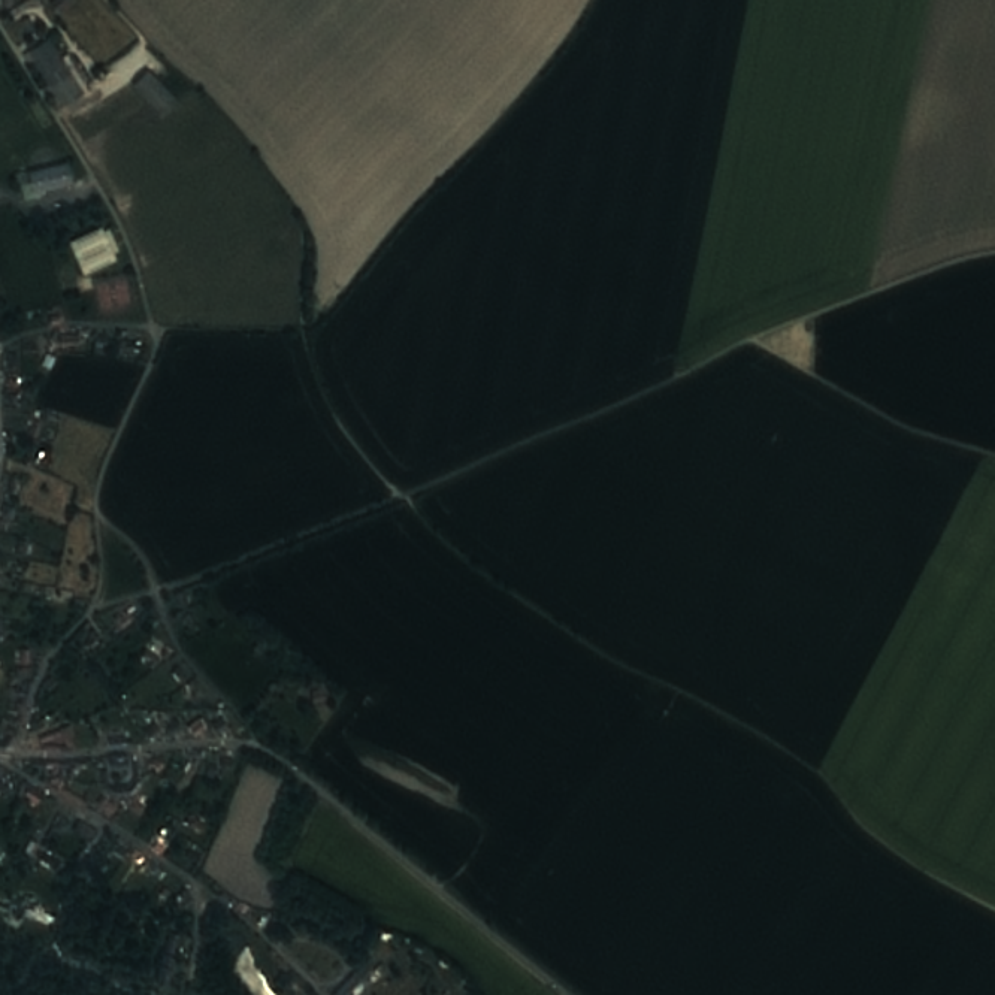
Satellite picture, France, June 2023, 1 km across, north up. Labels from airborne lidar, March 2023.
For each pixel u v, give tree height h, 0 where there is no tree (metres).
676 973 0
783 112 0
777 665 0
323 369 0
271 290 0
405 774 0
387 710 0
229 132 0
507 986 0
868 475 0
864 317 0
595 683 0
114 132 0
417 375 0
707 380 0
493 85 0
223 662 0
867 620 0
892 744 0
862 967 0
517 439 0
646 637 0
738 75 0
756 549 0
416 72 0
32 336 0
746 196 0
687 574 0
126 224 0
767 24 0
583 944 0
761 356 0
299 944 0
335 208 0
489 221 0
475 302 0
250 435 0
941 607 0
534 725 0
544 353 0
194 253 0
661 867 0
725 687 0
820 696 0
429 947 7
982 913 0
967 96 0
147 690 0
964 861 0
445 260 0
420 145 0
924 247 0
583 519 0
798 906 0
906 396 0
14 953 13
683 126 0
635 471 0
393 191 0
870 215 0
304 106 0
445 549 0
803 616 0
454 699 0
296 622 0
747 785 0
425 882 0
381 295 0
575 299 0
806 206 0
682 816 0
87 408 0
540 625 0
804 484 0
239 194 0
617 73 0
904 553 0
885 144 0
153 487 0
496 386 0
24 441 20
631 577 0
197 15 0
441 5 0
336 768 0
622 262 0
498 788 0
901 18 0
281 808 9
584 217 0
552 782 0
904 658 0
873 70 0
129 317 0
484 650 0
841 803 0
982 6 0
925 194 0
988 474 0
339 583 0
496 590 0
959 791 0
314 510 0
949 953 0
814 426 0
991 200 0
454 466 0
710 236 0
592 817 0
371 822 13
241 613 8
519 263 0
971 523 0
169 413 0
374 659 0
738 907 0
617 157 0
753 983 0
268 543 0
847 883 0
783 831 0
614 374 0
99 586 0
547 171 0
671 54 0
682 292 0
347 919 22
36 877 0
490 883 0
